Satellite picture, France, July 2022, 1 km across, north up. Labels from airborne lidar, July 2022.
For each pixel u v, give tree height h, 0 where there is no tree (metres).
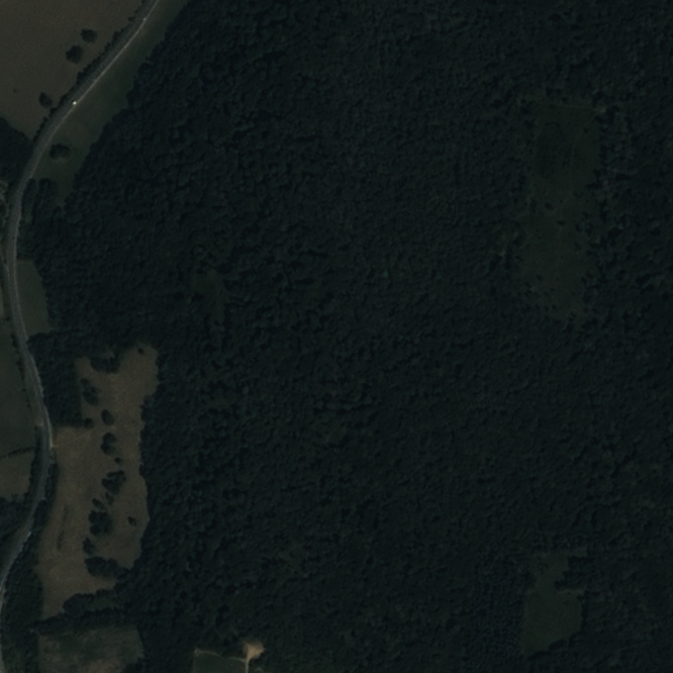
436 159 18
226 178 29
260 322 24
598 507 23
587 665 21
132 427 0
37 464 13
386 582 17
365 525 26
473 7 19
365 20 16
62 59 0
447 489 14
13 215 0
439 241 18
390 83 15
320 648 14
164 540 24
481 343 16
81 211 25
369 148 17
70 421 16
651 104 25
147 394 0
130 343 18
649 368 26
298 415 16
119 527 0
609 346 20
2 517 25
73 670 0
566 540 21
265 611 20
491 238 21
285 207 23
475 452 17
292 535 17
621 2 24
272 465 12
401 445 19
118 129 24
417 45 20
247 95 31
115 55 0
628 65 20
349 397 15
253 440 19
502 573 16
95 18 0
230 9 32
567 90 25
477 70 16
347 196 22
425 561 17
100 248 30
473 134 10
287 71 34
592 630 21
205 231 29
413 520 20
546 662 19
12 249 0
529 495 22
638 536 26
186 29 25
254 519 17
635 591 25
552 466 17
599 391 19
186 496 16
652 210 30
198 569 24
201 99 34
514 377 18
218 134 27
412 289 15
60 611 0
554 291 9
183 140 24
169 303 23
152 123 28
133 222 27
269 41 29
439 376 21
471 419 18
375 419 20
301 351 17
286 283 20
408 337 19
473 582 23
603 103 24
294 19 31
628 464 28
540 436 16
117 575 19
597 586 22
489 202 18
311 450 21
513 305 19
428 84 17
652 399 26
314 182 24
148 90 21
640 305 27
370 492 27
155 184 23
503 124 18
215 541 28
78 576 0
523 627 11
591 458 25
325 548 19
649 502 27
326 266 15
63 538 0
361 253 17
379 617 26
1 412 0
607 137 26
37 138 9
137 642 0
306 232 24
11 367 0
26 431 0
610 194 32
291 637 16
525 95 28
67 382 23
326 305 22
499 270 21
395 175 17
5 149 23
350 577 20
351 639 25
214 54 20
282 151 25
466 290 19
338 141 18
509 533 18
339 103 16
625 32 22
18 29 0
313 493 18
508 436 16
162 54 25
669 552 19
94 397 14
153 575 22
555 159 8
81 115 0
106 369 18
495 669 19
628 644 17
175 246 22
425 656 17
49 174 0
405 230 13
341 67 13
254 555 18
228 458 24
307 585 16
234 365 22
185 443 18
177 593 22
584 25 19
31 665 15
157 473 27
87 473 0
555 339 17
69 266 8
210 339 22
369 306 16
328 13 26
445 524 16
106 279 29
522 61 18
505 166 19
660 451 26
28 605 14
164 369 22
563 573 0
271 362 20
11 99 0
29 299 0
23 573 13
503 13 19
